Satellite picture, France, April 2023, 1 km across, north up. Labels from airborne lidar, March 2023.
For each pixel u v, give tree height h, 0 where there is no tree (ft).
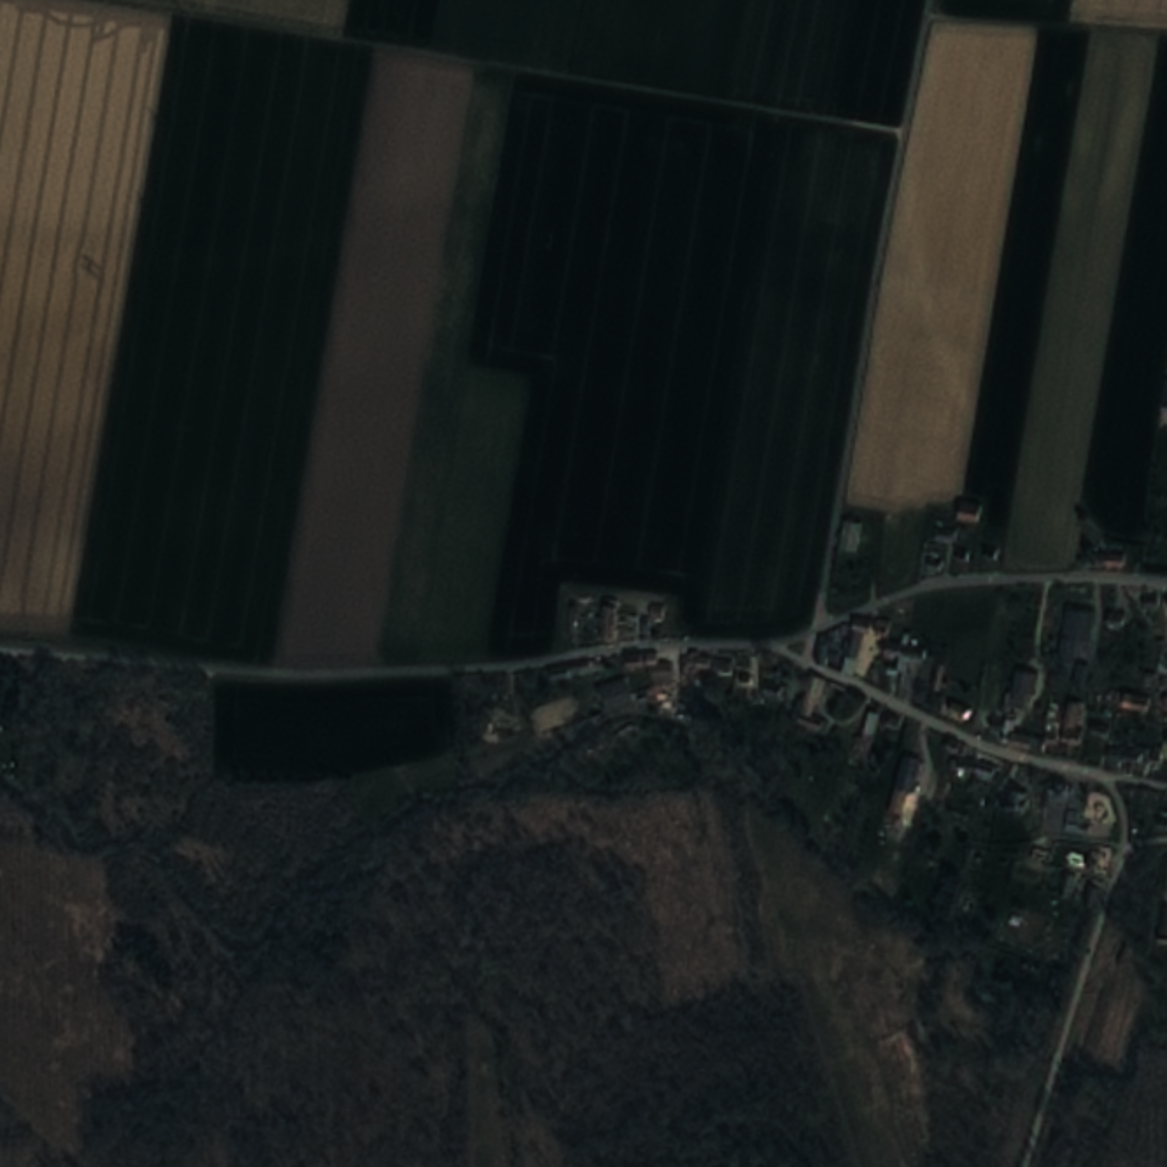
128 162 0
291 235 0
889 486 0
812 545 0
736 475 0
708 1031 63
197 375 0
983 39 0
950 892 49
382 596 0
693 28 0
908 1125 0
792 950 0
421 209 0
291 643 0
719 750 61
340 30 0
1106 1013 0
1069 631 0
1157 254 0
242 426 0
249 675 0
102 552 0
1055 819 0
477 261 0
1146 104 0
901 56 0
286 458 0
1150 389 0
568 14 0
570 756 84
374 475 0
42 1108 0
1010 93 0
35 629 0
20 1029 0
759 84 0
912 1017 0
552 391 0
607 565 0
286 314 0
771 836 0
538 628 0
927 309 0
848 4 0
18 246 0
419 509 0
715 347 0
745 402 0
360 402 0
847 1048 0
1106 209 0
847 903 0
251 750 0
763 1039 74
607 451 0
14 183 0
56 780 68
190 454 0
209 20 0
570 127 0
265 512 0
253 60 0
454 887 61
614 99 0
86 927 0
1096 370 0
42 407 0
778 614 0
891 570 0
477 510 0
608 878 63
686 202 0
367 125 0
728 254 0
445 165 0
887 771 0
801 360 0
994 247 0
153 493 0
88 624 0
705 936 0
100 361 0
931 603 0
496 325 0
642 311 0
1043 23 0
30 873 0
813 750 24
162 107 0
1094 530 0
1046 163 0
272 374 0
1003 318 0
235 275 0
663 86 0
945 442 0
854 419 0
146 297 0
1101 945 0
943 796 0
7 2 0
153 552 0
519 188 0
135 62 0
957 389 0
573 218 0
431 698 0
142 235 0
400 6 0
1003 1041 70
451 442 0
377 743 0
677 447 0
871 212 0
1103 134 0
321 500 0
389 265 0
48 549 0
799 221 0
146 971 39
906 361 0
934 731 0
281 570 0
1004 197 0
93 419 0
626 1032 70
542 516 0
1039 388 0
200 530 0
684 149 0
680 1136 62
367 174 0
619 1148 48
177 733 23
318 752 0
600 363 0
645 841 0
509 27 0
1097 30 0
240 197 0
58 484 0
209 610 0
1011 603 38
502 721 0
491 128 0
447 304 0
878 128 0
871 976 0
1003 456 0
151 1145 82
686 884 0
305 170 0
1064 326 0
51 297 0
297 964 65
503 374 0
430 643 0
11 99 0
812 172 0
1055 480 0
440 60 0
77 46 0
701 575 0
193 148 0
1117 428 0
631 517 0
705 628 0
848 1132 0
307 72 0
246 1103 66
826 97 0
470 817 60
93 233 0
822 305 0
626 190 0
